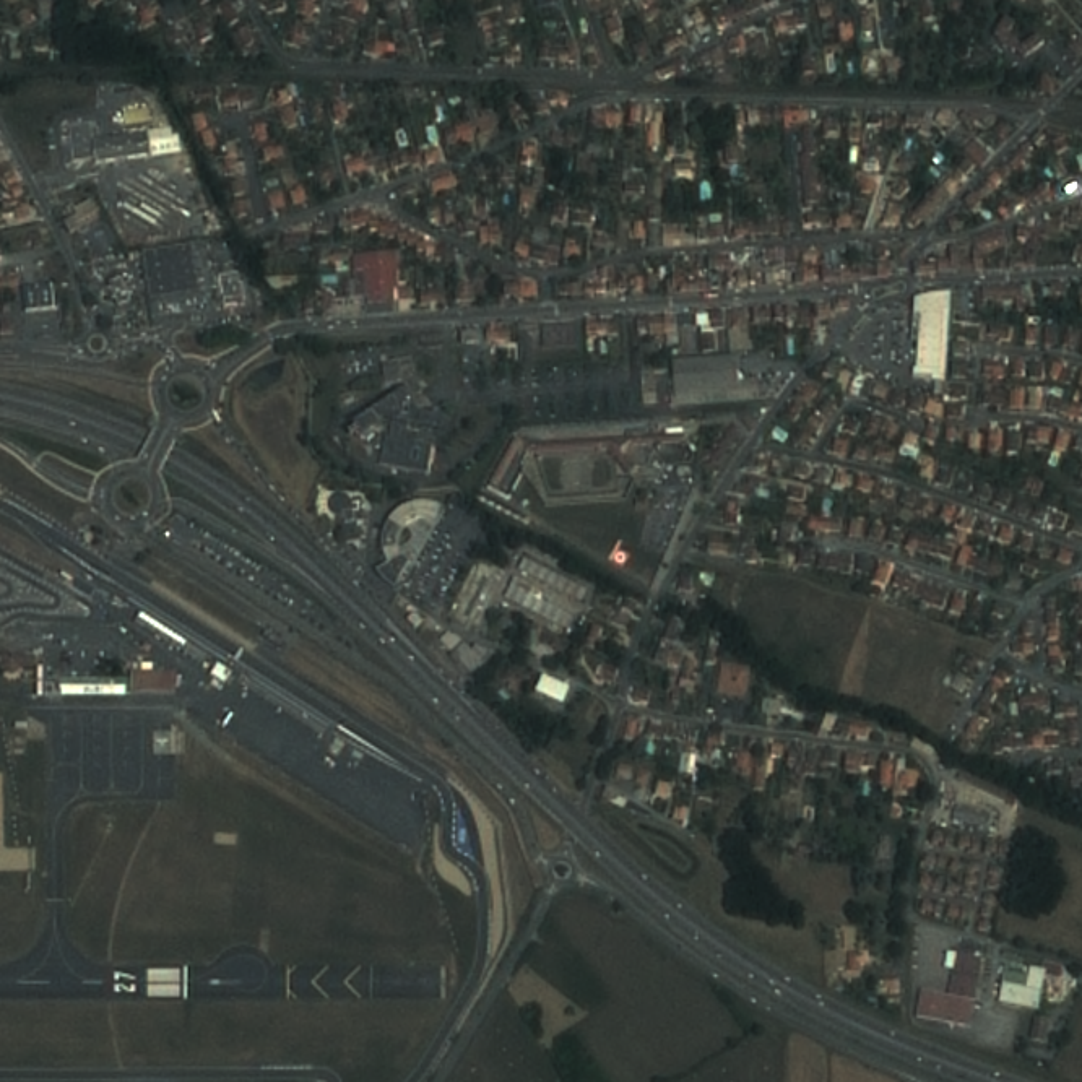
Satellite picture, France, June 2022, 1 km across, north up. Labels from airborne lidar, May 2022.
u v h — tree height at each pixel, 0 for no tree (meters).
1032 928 0
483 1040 0
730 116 10
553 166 9
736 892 14
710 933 0
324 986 0
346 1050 0
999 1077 0
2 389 0
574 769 0
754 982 0
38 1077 0
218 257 0
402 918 0
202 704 0
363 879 0
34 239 0
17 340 0
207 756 0
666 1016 0
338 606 0
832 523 0
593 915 0
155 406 0
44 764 0
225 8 0
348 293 0
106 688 0
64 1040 0
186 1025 0
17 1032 0
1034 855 19
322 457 10
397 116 5
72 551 0
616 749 9
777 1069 0
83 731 0
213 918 0
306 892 0
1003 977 0
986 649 0
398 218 0
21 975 0
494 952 0
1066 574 0
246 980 0
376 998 0
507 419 14
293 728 0
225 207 9
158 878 0
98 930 0
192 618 0
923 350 0
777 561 0
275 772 0
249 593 0
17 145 0
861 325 0
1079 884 0
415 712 0
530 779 0
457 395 0
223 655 0
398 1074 0
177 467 0
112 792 0
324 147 6
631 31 8
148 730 0
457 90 9
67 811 0
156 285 0
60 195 0
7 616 0
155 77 13
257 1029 0
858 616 0
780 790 0
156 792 0
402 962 0
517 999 0
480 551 19
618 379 0
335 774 0
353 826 0
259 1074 0
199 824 0
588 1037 0
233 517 0
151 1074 0
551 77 0
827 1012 0
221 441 0
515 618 13
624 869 0
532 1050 0
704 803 0
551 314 0
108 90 0
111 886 0
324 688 0
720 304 0
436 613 0
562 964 0
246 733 0
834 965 0
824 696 16
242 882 0
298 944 0
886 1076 0
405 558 0
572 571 15
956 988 0
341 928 0
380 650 0
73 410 0
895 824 0
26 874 0
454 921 0
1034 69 7
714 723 7
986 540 7
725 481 0
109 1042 0
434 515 0
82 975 0
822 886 0
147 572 0
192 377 0
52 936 0
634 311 0
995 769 8
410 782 0
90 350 0
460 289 0
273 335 0
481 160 11
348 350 8
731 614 11
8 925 0
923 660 0
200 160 8
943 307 0
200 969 0
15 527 0
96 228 0
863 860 8
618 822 0
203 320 0
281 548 0
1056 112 0
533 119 6
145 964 0
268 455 0
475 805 0
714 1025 0
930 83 5
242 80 7
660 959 0
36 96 0
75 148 0
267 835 0
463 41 0
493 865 0
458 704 0
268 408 0
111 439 0
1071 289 8
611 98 0
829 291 0
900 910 11
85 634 0
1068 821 12
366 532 0
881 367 0
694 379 0
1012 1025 0
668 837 0
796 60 9
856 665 0
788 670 13
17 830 0
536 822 0
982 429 6
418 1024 0
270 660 0
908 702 0
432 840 0
